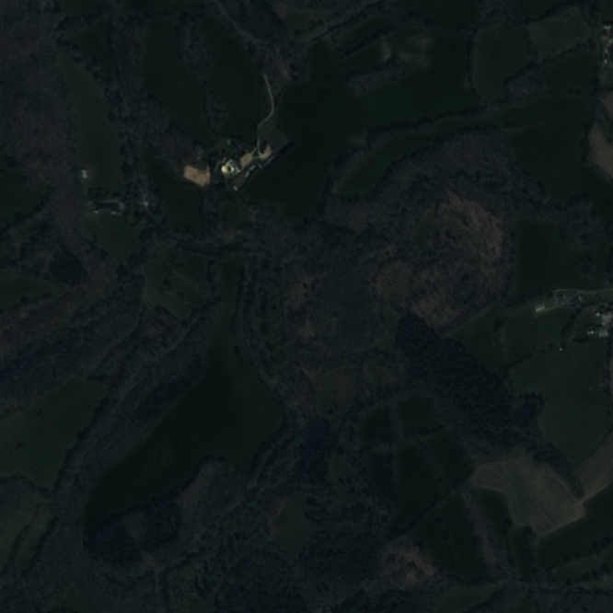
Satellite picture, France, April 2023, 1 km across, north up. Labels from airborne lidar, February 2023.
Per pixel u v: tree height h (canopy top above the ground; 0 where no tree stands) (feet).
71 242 67
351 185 0
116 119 36
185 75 0
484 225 30
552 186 0
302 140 0
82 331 51
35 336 60
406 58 0
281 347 55
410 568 37
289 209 0
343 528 39
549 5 0
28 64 65
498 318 0
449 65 0
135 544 46
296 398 21
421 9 0
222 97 0
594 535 0
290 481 113
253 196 0
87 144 0
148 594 26
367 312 46
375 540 40
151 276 0
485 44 0
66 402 0
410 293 0
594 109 32
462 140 55
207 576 98
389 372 23
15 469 0
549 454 60
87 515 0
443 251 30
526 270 0
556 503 0
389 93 0
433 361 81
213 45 0
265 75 61
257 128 39
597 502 0
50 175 52
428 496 0
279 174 0
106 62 0
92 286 57
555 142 0
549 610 50
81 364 42
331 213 57
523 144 0
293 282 51
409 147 0
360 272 33
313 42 0
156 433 0
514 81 33
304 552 31
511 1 53
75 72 0
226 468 42
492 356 0
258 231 64
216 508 56
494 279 36
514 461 0
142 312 56
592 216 50
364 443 0
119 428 60
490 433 31
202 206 31
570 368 0
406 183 45
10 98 48
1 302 0
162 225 55
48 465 0
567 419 0
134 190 44
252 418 0
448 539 46
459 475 0
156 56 0
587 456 0
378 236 29
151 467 0
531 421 70
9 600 65
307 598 38
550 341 0
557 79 0
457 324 39
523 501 0
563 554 0
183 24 59
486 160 64
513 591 60
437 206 30
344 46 0
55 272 82
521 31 25
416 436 45
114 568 42
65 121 73
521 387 0
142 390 56
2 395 59
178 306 0
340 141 0
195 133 0
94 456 60
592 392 0
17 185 0
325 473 52
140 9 0
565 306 0
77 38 0
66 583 53
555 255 0
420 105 0
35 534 0
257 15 65
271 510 34
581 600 33
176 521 33
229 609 40
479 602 0
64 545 61
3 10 73
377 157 0
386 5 25
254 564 48
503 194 65
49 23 74
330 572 62
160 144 72
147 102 58
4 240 61
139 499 0
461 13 0
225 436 0
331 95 0
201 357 33
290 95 0
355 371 27
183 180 18
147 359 59
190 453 0
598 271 0
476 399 95
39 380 56
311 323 39
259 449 0
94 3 0
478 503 23
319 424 18
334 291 44
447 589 39
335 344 45
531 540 41
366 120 0
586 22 24
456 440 50
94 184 0
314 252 43
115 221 0
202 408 0
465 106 0
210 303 36
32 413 0
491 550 39
